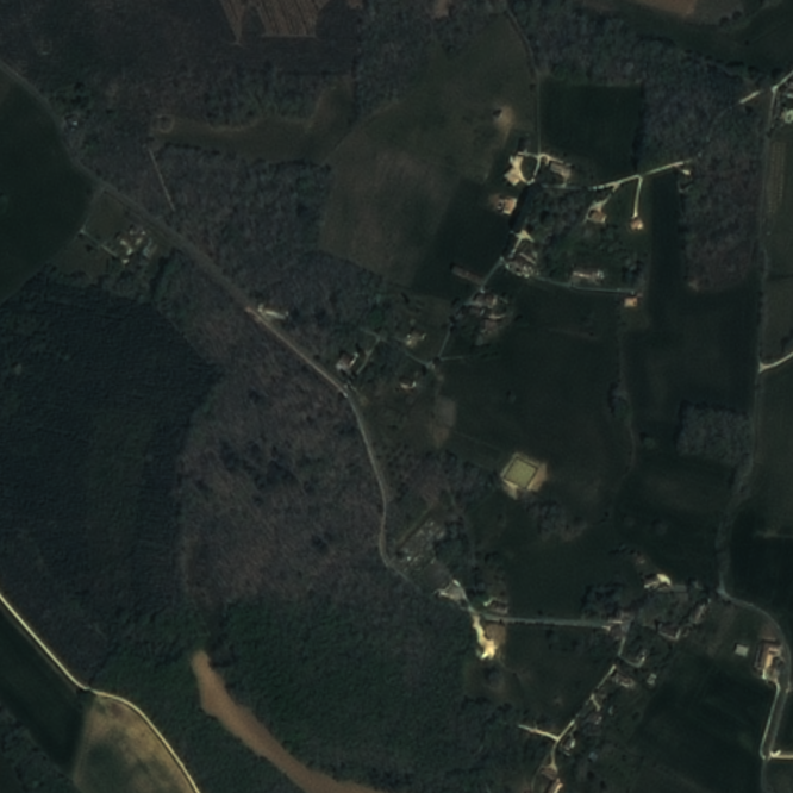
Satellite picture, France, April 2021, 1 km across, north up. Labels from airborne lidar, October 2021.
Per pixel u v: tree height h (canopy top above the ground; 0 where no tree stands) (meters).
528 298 0
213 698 0
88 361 11
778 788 0
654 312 0
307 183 19
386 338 11
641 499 0
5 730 8
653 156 22
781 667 13
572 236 17
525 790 0
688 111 17
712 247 18
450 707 21
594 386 0
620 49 21
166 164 22
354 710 21
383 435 0
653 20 0
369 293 16
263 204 23
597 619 15
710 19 0
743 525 0
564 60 26
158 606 10
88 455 11
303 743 19
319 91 17
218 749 17
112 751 0
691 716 0
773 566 0
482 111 0
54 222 0
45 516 11
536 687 0
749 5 0
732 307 0
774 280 0
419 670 18
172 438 10
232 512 14
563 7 22
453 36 23
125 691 15
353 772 19
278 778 20
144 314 11
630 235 0
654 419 0
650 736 0
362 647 16
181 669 21
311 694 15
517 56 0
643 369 0
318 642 19
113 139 14
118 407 13
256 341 14
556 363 0
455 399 0
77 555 10
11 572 9
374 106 16
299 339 12
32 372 11
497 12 26
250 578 24
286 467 21
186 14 0
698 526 0
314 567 15
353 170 0
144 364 11
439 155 0
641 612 20
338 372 0
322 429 17
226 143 0
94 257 10
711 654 0
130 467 10
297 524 15
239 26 0
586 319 8
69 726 0
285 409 18
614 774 0
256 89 24
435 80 0
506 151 0
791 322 0
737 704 0
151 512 9
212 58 7
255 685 18
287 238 17
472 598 16
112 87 19
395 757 23
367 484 12
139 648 11
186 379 11
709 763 0
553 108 0
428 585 0
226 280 14
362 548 12
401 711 17
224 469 14
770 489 0
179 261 16
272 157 0
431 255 0
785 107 6
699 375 0
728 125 22
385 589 15
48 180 0
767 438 0
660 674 6
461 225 0
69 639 8
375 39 20
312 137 0
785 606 0
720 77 19
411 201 0
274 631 20
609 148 0
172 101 7
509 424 0
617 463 0
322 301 18
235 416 14
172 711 18
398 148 0
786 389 0
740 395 0
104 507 7
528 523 0
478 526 0
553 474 0
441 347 0
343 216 0
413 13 16
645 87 17
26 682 0
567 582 0
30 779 23
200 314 19
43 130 0
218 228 15
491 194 0
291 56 0
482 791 23
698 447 22
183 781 0
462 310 6
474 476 20
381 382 19
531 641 0
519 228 14
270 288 8
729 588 0
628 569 0
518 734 12
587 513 0
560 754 10
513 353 0
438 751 25
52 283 8
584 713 13
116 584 5
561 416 0
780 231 0
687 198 18
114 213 0
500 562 9
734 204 16
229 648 19
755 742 0
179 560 15
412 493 18
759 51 0
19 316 11
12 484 11
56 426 10
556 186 9
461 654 13
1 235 0
